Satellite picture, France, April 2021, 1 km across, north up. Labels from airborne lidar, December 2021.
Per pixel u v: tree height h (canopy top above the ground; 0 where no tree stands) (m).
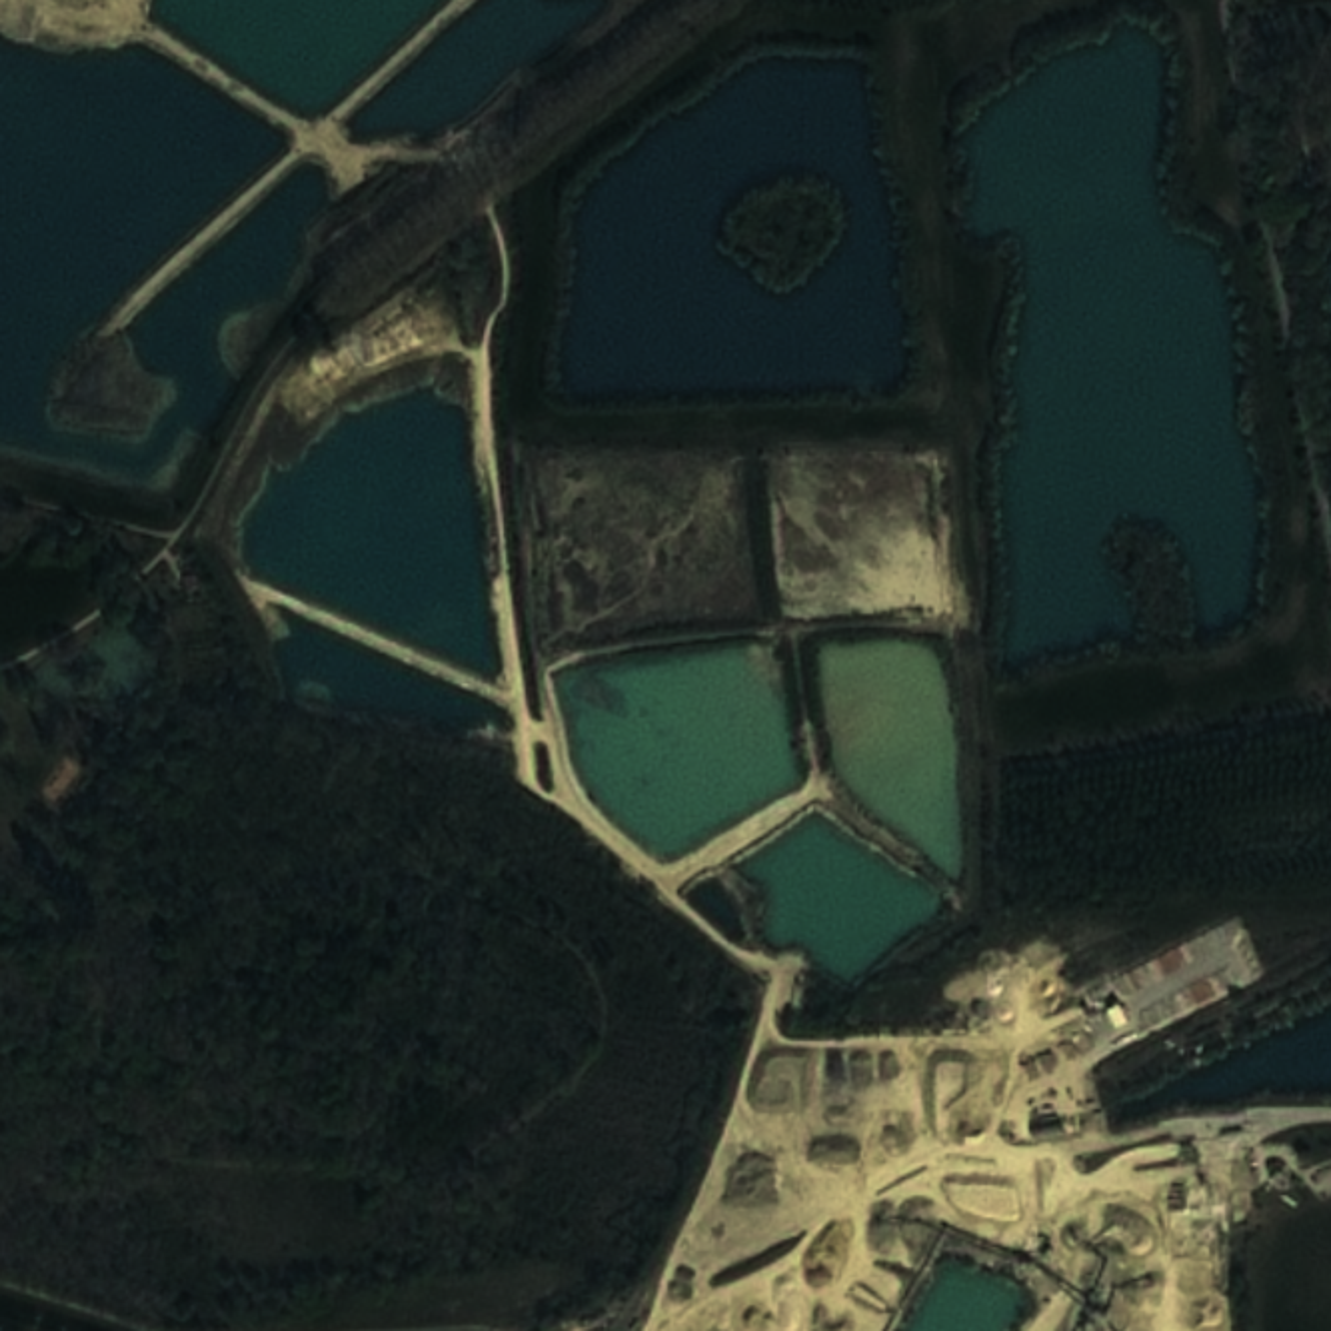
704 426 0
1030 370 0
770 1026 0
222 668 0
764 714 0
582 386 0
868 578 0
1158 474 0
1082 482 0
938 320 0
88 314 0
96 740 29
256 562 0
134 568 15
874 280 0
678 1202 16
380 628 0
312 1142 23
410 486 0
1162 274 0
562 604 0
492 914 17
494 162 31
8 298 0
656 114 16
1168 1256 0
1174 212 16
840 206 13
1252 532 0
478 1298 0
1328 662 0
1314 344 18
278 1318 13
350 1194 0
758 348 0
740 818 0
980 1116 0
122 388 0
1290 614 0
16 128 0
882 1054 0
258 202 0
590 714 0
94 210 0
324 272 20
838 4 21
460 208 24
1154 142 0
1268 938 0
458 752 19
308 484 0
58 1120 21
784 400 10
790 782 0
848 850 0
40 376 0
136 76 0
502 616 0
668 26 24
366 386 0
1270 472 14
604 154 15
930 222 0
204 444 0
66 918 33
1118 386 0
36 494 0
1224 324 0
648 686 0
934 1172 0
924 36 0
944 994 0
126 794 27
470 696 0
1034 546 0
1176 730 9
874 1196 0
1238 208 0
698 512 0
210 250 0
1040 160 0
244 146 0
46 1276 13
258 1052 25
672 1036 7
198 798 19
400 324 0
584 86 26
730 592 0
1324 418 21
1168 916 0
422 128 0
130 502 0
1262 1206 0
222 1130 9
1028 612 0
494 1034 17
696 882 0
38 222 0
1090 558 0
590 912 6
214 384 0
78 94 0
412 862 11
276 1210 0
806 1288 0
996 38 0
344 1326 0
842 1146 0
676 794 0
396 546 0
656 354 0
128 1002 25
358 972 21
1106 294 0
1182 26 13
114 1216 16
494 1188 18
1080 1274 0
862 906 0
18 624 0
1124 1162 0
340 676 0
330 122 0
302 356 0
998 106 0
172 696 19
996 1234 0
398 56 0
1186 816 26
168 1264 9
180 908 20
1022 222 0
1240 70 9
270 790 16
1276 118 16
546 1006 7
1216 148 0
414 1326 0
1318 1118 0
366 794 16
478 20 0
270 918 19
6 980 16
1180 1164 0
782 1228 0
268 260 0
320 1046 20
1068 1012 0
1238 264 16
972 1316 0
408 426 0
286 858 30
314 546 0
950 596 0
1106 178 0
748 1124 0
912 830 0
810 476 0
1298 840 19
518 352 0
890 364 0
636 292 0
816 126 0
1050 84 0
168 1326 16
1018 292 13
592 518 0
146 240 0
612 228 0
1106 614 0
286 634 0
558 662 0
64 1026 21
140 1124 17
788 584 0
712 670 0
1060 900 6
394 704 0
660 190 0
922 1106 0
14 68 0
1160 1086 8
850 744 0
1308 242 16
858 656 0
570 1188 6
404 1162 17
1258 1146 0
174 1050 25
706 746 0
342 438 0
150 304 0
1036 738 0
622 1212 6
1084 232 0
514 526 6
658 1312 0
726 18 11
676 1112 6
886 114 14
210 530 0
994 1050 0
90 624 0
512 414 0
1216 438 0
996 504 9
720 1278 0
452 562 0
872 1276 0
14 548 11
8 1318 0
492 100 0
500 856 26
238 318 0
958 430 0
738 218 14
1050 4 0
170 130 0
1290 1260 0
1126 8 14
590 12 0
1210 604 0
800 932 0
